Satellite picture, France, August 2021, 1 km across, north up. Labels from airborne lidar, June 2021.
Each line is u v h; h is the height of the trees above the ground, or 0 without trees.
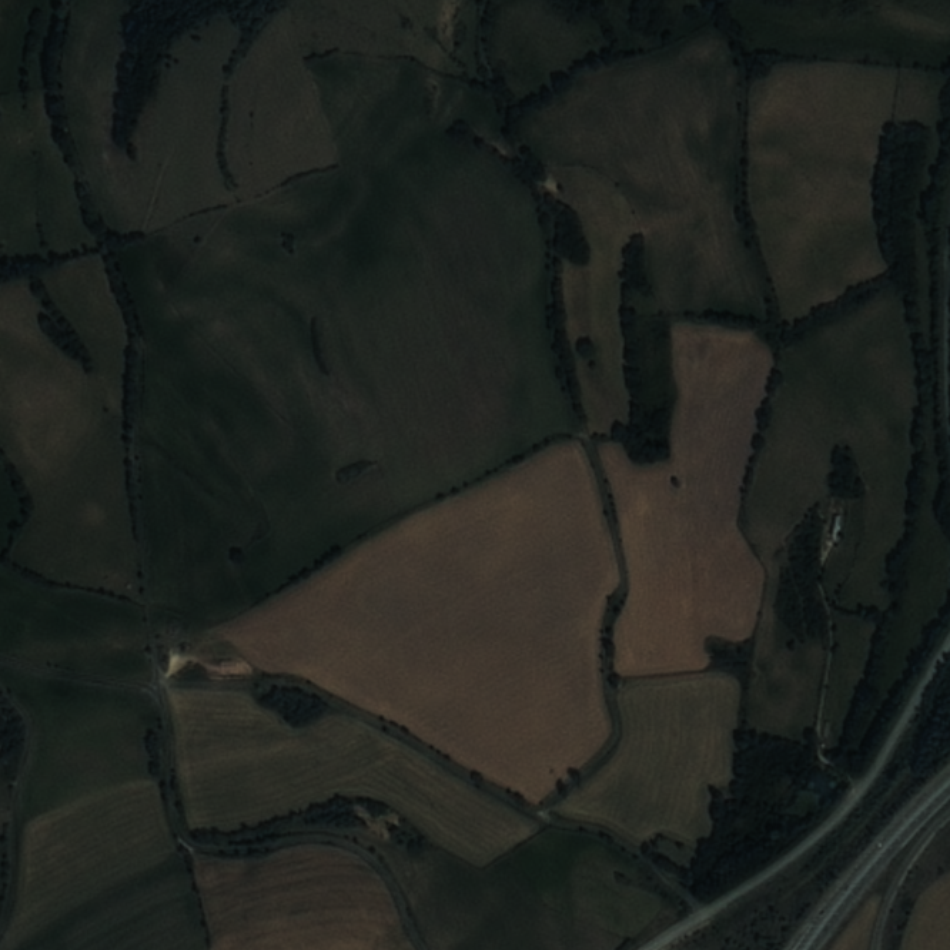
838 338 0
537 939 0
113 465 0
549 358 0
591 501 0
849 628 0
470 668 0
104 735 0
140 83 12
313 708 11
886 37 0
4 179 0
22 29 0
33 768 0
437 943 0
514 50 0
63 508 0
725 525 0
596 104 0
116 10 0
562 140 0
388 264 0
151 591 0
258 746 0
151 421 0
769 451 0
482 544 0
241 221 0
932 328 7
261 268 0
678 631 0
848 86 0
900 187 19
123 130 11
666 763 0
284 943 0
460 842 0
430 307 0
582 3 13
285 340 0
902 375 0
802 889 0
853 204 0
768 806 14
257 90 0
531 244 0
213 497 0
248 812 0
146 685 0
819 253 0
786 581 6
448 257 0
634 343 12
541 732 0
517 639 0
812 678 0
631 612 0
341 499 0
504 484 0
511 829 0
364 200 0
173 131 0
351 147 0
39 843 0
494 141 0
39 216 0
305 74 0
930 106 0
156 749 14
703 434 0
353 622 0
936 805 0
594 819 0
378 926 0
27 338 0
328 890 0
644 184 0
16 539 7
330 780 0
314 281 0
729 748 0
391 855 0
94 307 0
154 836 0
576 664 0
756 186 0
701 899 14
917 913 0
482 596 0
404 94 0
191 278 0
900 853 0
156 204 0
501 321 0
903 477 0
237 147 0
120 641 0
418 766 0
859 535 0
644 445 16
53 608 0
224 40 0
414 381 0
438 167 0
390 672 0
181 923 0
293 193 0
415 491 0
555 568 0
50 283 0
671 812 0
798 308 0
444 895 0
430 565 0
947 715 7
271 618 0
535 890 0
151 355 0
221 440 0
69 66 0
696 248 0
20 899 0
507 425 0
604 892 0
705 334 0
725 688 0
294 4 0
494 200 0
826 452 0
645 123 0
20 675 0
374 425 0
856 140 0
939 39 0
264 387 0
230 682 0
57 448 0
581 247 14
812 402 0
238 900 0
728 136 0
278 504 0
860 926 0
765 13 0
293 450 0
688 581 0
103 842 0
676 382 0
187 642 0
